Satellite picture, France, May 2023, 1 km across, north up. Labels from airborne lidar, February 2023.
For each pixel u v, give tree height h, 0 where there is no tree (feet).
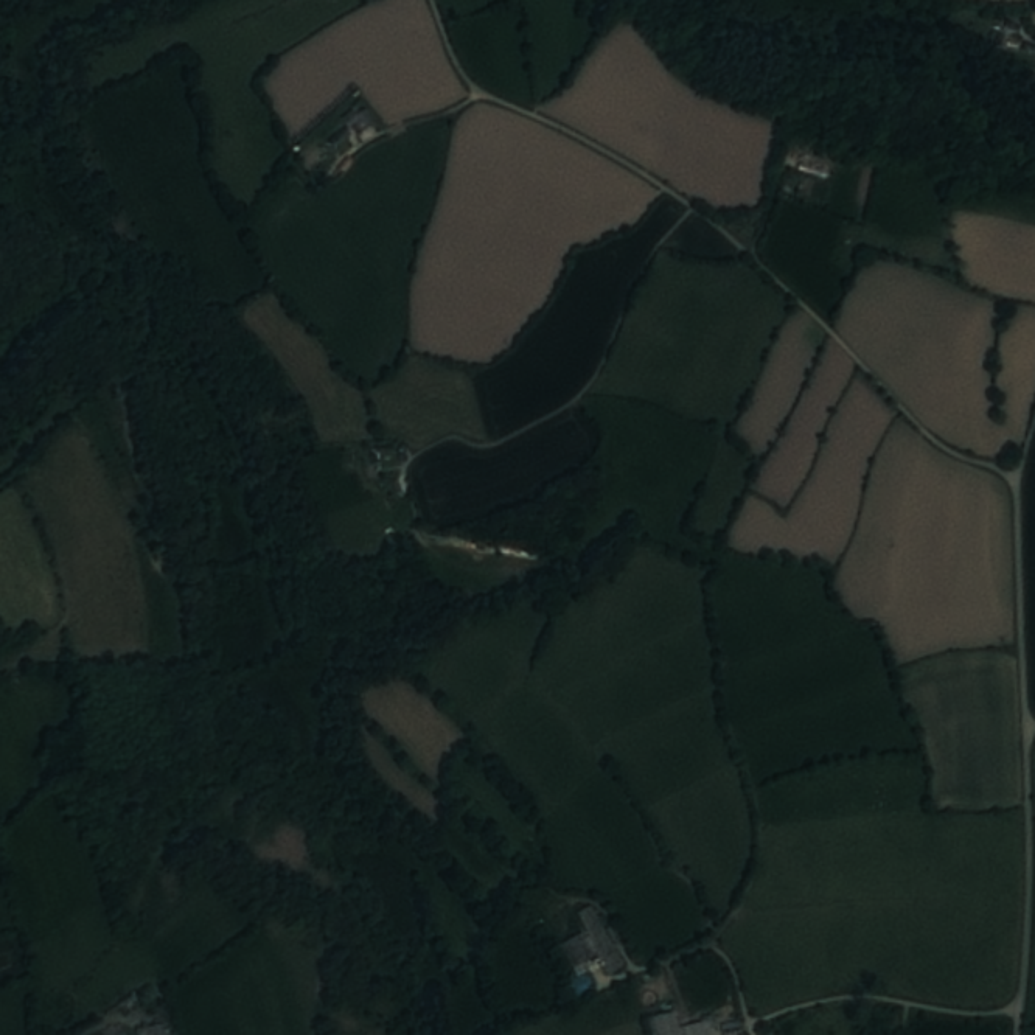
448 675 0
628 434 0
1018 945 0
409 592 85
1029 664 0
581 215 0
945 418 0
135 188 0
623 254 0
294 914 48
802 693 0
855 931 0
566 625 0
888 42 29
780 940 0
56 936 0
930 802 37
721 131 0
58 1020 0
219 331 71
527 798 52
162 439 67
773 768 0
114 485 0
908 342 0
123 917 64
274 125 26
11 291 62
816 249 0
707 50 73
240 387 66
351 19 0
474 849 0
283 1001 0
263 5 0
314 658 43
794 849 0
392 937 22
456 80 0
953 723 0
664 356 0
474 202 0
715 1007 0
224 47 0
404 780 0
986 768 0
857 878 0
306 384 0
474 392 0
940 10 55
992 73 128
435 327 0
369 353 0
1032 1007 0
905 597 0
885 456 0
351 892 32
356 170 0
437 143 0
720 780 0
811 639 0
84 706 77
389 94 0
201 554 79
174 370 55
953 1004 0
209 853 64
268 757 26
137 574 0
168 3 29
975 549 0
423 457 0
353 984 71
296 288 0
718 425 39
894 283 0
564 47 0
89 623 0
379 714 0
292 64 0
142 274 62
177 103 0
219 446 23
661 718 0
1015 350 0
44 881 0
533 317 26
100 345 74
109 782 89
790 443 0
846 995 0
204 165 23
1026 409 0
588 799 0
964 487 0
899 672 28
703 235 0
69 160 57
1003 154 72
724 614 0
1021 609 0
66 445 0
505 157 0
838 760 41
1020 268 0
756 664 0
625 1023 0
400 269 0
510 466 0
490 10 32
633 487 0
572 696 0
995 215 0
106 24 68
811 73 80
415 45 0
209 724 71
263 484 74
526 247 0
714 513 0
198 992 0
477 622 66
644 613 0
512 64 0
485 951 95
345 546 0
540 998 0
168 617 0
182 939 0
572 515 62
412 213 0
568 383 0
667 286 0
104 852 71
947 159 71
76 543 0
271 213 0
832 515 0
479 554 0
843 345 0
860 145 54
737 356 0
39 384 58
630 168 0
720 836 0
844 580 0
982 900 0
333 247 0
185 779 65
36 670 44
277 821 0
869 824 0
